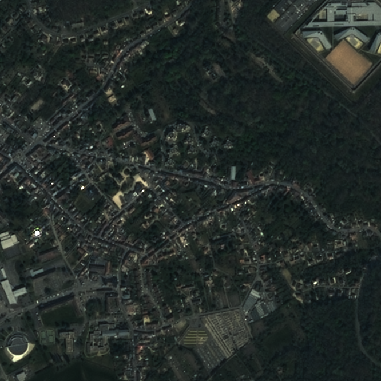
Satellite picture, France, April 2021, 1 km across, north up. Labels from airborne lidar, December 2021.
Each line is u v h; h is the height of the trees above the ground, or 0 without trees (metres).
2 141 0
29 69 0
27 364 0
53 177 0
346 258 18
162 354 0
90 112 16
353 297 0
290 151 15
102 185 20
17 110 12
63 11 26
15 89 8
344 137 24
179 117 12
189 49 26
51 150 0
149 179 0
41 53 17
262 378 6
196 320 0
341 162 25
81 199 0
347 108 9
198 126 15
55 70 12
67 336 0
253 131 18
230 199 0
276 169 9
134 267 0
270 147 21
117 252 7
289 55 10
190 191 5
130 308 0
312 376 22
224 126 10
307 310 18
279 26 0
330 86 13
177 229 0
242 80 33
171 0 21
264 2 18
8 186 6
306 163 29
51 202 0
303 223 6
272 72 0
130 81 23
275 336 0
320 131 27
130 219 0
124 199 18
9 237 0
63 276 0
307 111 19
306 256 0
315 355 26
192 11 15
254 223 0
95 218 8
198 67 10
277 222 6
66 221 0
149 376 7
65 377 0
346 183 15
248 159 10
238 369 0
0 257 0
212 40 6
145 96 9
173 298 7
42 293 0
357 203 11
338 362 23
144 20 14
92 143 11
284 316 6
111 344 8
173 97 11
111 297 0
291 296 15
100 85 10
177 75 24
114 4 21
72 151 0
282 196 18
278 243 0
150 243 6
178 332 0
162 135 0
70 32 17
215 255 10
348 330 21
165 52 17
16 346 0
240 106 33
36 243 12
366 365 19
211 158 16
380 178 30
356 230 0
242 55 16
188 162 0
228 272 0
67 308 0
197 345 0
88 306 13
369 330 30
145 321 0
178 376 0
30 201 0
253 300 0
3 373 0
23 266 11
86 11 22
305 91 28
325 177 29
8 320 7
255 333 0
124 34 20
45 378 0
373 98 10
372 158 20
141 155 0
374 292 26
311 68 6
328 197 17
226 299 0
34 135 0
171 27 0
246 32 20
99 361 0
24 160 0
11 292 0
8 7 7
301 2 0
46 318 0
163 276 0
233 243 13
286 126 21
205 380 9
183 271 14
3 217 0
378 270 27
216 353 0
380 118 20
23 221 24
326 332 32
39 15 9
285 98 31
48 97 14
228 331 0
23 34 5
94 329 6
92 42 13
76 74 8
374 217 9
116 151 10
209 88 13
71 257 0
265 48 14
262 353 12
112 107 18
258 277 0
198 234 11
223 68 23
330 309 26
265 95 31
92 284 0
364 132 28
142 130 0
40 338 0
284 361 15
